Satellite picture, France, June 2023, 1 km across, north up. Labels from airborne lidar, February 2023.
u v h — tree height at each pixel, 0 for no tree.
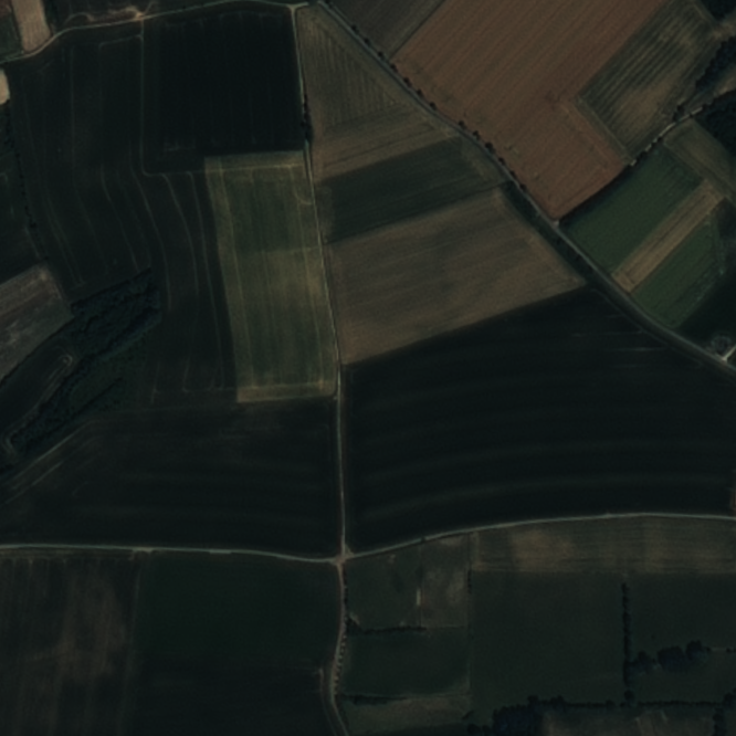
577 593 0
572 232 0
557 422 0
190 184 0
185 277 0
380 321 0
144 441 0
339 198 0
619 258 0
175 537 0
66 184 0
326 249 0
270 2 0
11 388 0
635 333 0
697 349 0
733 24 0
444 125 0
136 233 0
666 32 0
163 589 0
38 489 0
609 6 0
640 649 0
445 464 0
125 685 0
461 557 0
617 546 0
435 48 0
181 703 0
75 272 0
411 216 0
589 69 0
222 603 0
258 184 0
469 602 0
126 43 0
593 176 0
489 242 0
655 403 0
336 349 0
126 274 0
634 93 0
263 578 0
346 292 0
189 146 0
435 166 0
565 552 0
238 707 0
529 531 0
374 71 0
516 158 0
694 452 0
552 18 0
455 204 0
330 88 0
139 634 0
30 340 0
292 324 0
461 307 0
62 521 0
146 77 0
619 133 0
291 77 0
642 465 0
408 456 0
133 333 19
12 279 0
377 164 0
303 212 0
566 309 0
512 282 0
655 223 0
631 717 0
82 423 0
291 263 0
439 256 0
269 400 0
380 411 0
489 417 0
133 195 0
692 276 0
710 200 0
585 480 0
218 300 0
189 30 0
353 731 0
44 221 0
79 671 0
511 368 0
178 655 0
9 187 0
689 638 0
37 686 0
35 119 0
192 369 0
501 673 0
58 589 0
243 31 0
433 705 0
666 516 0
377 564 0
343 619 0
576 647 0
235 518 0
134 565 0
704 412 0
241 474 0
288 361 0
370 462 0
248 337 0
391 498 0
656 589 0
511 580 0
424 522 0
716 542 0
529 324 0
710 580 0
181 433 0
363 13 0
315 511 0
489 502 0
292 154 0
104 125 0
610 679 0
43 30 0
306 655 0
